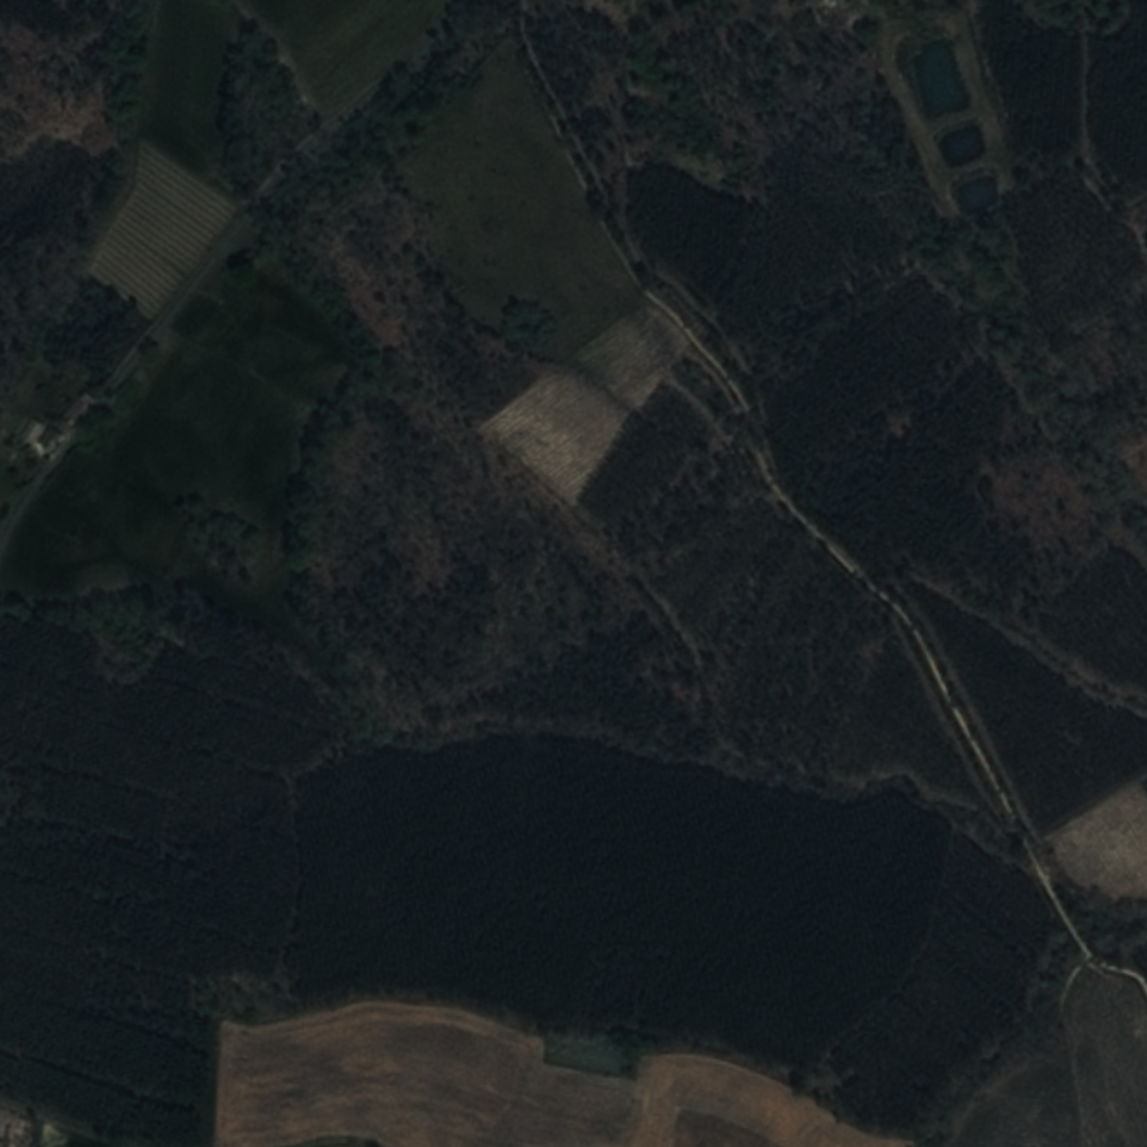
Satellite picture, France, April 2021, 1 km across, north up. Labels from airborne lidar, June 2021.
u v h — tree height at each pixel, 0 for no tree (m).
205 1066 10
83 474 0
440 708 9
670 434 11
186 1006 14
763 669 11
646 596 11
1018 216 15
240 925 13
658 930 12
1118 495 6
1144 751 10
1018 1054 17
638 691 8
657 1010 11
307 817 10
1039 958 15
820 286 15
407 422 17
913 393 15
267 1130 0
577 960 12
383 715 14
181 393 0
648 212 11
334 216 10
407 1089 0
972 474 17
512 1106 0
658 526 12
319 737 11
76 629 15
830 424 15
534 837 12
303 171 24
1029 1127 0
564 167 0
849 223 12
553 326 6
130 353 0
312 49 0
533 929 12
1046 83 12
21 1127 0
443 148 0
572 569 18
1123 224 16
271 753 12
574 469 0
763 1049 11
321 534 7
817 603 13
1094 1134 0
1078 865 0
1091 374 15
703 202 10
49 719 12
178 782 12
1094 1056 0
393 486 8
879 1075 13
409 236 6
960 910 12
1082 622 11
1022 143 11
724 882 12
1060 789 10
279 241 11
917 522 16
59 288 15
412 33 0
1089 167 14
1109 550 12
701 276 10
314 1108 0
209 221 0
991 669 12
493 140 0
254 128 9
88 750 11
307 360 0
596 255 0
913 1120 14
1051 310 13
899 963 12
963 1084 13
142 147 0
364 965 11
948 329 16
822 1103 17
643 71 10
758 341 14
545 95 17
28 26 9
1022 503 10
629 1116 0
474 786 11
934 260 16
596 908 9
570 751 13
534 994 10
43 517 0
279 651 16
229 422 0
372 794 11
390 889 9
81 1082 14
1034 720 11
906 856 11
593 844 14
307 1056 0
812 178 13
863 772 8
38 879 11
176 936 12
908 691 12
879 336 11
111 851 13
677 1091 0
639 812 13
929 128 0
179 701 12
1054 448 12
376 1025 0
